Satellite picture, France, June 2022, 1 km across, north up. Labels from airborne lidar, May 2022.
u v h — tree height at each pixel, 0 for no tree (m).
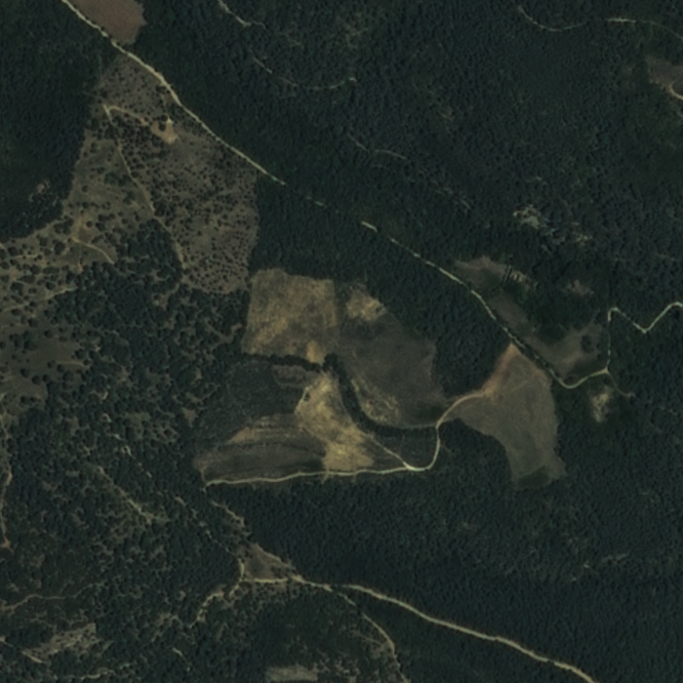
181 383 14
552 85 7
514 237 17
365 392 0
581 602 15
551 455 0
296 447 0
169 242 11
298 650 6
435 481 7
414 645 8
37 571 7
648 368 11
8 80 6
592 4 11
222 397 14
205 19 12
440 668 6
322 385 0
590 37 12
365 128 10
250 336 0
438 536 13
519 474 0
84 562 6
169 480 14
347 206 8
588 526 12
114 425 12
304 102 9
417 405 0
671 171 7
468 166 7
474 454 9
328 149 15
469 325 19
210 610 7
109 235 9
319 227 11
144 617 13
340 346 0
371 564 12
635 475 14
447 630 14
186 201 6
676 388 11
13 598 13
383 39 10
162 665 16
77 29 10
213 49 11
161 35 11
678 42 6
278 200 7
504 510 9
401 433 10
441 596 14
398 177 13
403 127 13
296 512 16
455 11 12
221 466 0
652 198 7
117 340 14
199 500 12
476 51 8
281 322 0
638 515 14
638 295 15
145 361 14
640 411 12
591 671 15
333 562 14
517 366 0
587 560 13
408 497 10
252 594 7
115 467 12
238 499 11
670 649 11
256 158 8
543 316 7
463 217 14
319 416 0
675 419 13
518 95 8
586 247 9
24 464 16
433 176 16
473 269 0
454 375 7
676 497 9
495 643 10
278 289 0
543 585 9
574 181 10
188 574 16
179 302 11
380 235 13
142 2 16
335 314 0
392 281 11
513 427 0
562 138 10
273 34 9
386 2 7
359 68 8
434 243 16
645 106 9
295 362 11
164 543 15
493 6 15
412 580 9
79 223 0
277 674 0
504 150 13
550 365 10
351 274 6
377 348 0
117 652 18
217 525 11
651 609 6
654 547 15
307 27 8
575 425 11
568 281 10
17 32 6
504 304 0
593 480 12
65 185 7
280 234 11
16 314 16
